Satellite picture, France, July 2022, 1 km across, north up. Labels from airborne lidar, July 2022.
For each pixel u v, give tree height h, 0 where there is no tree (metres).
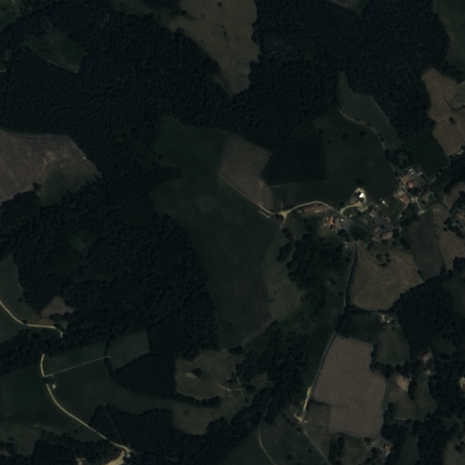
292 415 0
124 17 23
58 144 0
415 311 17
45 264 19
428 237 0
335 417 0
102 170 17
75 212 12
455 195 0
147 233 7
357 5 0
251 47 0
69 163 0
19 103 30
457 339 17
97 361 0
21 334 9
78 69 0
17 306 0
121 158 15
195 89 27
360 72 23
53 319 18
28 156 0
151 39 22
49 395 0
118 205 14
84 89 21
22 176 0
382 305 0
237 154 0
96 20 34
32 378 0
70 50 0
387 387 0
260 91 18
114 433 20
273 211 7
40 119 26
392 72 22
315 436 0
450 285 0
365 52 21
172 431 24
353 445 0
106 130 20
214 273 0
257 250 0
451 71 17
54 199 0
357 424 0
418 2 22
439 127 0
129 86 27
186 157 0
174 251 26
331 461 9
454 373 28
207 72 8
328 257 13
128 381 19
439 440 31
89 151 23
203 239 0
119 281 20
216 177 0
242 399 0
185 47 24
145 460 14
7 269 0
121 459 0
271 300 8
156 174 7
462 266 20
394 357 0
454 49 0
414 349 16
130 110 27
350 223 0
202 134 0
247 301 0
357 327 0
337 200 0
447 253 0
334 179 0
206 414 0
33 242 33
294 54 17
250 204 0
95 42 28
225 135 0
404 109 18
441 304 20
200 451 23
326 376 0
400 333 0
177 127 0
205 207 0
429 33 22
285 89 19
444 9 0
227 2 0
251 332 0
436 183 8
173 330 19
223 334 0
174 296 23
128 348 0
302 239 6
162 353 14
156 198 0
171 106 11
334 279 7
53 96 26
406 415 0
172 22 0
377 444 0
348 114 0
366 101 0
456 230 16
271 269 0
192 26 0
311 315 7
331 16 21
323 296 6
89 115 29
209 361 0
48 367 0
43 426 0
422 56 20
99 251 28
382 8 29
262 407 10
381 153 0
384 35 24
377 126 0
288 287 0
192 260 22
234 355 8
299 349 9
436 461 16
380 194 0
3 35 15
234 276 0
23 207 30
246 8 0
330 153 0
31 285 22
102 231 14
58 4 27
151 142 11
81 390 0
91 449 16
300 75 21
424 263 0
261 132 7
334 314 0
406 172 6
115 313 8
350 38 23
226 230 0
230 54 0
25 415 0
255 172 0
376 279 0
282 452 0
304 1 28
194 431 0
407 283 0
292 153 6
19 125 24
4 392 0
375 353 12
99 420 20
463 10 0
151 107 14
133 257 21
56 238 9
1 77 17
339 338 0
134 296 15
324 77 16
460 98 0
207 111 23
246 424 23
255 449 0
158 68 28
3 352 7
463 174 17
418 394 0
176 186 0
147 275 6
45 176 0
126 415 16
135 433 20
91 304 24
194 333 16
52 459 15
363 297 0
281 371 22
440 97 0
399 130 22
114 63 23
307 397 0
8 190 0
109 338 16
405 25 22
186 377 0
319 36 29
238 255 0
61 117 22
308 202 0
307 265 9
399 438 20
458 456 0
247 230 0
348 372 0
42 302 19
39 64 24
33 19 22
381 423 0
